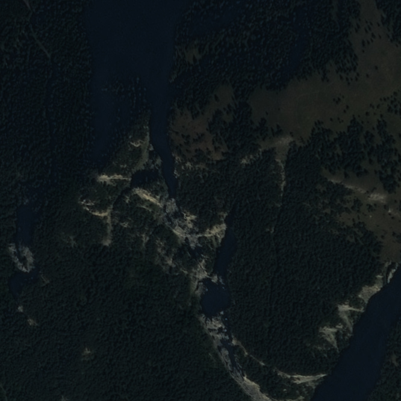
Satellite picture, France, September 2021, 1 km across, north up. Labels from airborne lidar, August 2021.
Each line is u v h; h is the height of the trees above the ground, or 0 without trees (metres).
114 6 23
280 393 11
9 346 16
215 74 22
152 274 17
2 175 18
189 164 8
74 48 27
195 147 0
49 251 15
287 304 24
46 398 13
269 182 17
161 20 0
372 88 0
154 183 11
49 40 24
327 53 14
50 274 15
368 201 0
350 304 8
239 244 12
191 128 0
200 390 19
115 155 10
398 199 0
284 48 18
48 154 26
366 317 13
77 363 12
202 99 14
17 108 19
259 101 0
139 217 11
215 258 7
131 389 16
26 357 17
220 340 0
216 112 0
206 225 14
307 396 7
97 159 16
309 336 25
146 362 18
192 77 18
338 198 8
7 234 8
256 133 12
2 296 11
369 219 0
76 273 10
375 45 0
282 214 16
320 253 14
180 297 12
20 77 22
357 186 0
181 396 18
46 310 13
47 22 23
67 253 11
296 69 7
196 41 18
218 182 20
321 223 7
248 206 24
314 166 18
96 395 15
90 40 20
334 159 17
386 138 8
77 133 22
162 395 13
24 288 9
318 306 26
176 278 15
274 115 0
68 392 13
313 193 6
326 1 12
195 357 15
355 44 0
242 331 20
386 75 0
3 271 14
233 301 16
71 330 13
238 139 16
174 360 19
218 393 14
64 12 27
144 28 13
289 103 0
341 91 0
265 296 18
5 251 7
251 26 25
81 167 13
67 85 25
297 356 20
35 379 13
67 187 26
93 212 41
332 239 7
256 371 17
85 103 19
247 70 19
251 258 17
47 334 19
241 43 7
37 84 24
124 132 16
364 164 0
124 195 10
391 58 0
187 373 15
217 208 11
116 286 11
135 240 10
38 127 26
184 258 11
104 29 20
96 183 8
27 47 21
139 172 11
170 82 8
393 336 12
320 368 25
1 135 21
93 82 7
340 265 13
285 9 27
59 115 22
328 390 7
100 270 13
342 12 12
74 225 13
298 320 26
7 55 11
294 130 0
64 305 12
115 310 18
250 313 24
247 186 9
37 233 17
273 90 10
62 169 22
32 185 15
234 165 12
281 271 27
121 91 12
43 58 19
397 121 0
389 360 14
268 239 17
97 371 15
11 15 22
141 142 8
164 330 24
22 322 13
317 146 14
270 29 25
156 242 9
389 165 17
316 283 28
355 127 15
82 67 25
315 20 22
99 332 8
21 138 20
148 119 9
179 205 12
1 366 16
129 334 13
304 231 9
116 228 21
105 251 16
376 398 16
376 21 0
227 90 0
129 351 20
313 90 0
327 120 0
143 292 11
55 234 14
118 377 14
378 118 0
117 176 13
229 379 11
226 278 13
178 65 12
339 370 14
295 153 13
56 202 20
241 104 0
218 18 28
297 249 9
